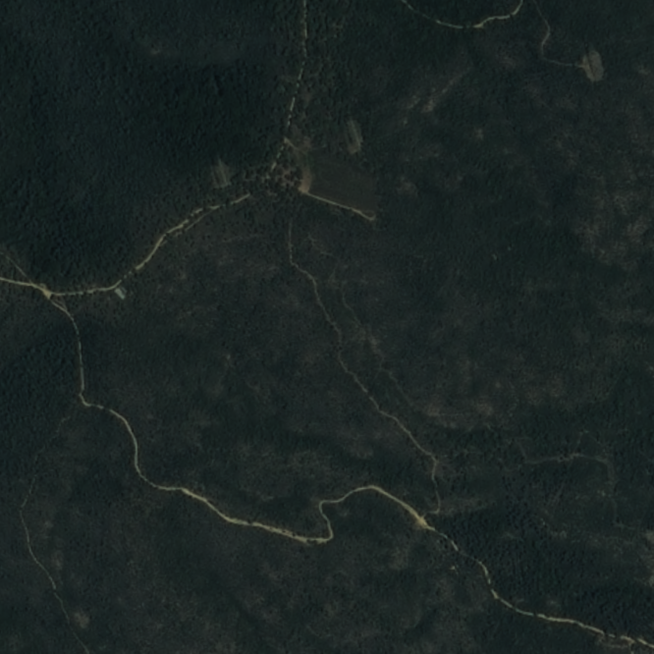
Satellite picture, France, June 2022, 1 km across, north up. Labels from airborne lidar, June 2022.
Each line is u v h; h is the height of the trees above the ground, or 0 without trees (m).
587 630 5
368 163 6
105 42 11
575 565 12
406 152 6
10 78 8
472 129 6
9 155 8
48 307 10
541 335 10
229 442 8
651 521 6
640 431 8
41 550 6
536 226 9
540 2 9
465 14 8
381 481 8
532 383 5
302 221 6
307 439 10
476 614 0
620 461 6
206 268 7
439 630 0
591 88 8
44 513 7
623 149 7
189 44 6
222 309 10
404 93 6
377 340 0
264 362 9
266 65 7
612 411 8
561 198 7
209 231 0
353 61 8
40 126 5
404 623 0
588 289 8
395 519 8
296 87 9
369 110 9
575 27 7
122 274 9
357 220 8
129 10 6
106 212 10
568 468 10
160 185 26
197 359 6
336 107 9
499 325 6
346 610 6
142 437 7
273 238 7
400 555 0
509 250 6
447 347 6
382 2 6
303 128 8
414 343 6
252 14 6
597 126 6
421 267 7
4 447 6
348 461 6
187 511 7
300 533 6
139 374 6
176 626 5
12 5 7
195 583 6
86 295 7
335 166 0
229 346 9
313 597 6
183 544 6
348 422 8
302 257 7
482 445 7
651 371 0
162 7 6
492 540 8
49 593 6
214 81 9
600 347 6
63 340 7
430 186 8
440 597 6
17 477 8
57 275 11
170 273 7
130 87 5
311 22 10
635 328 7
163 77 11
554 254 7
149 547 6
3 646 6
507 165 7
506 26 6
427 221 6
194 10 6
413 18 10
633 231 0
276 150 7
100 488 6
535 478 12
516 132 12
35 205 6
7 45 17
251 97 13
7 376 7
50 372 8
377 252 7
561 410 5
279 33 7
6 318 8
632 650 7
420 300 8
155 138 10
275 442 7
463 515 7
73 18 6
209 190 9
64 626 7
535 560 7
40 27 8
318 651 7
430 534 7
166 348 8
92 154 7
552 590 11
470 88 51
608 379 8
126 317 7
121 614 7
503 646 5
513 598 10
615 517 0
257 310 6
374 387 7
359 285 6
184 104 14
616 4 6
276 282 9
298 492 8
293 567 8
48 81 6
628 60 8
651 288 7
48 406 8
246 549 6
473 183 8
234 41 7
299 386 6
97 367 6
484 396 0
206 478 6
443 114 8
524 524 16
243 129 9
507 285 10
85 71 7
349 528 8
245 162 9
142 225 7
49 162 7
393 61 6
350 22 7
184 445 6
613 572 6
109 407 12
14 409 6
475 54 6
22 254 7
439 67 10
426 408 0
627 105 6
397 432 0
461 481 9
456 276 7
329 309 5
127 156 8
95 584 6
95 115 6
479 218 6
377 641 7
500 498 0
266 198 9
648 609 9
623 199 0
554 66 9
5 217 10
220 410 7
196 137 16
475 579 0
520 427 7
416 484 6
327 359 5
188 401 8
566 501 9
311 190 0
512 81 7
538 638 8
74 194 6
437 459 7
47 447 7
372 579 7
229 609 7
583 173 6
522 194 8
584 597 5
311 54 9
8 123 8
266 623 7
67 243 20
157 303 6
